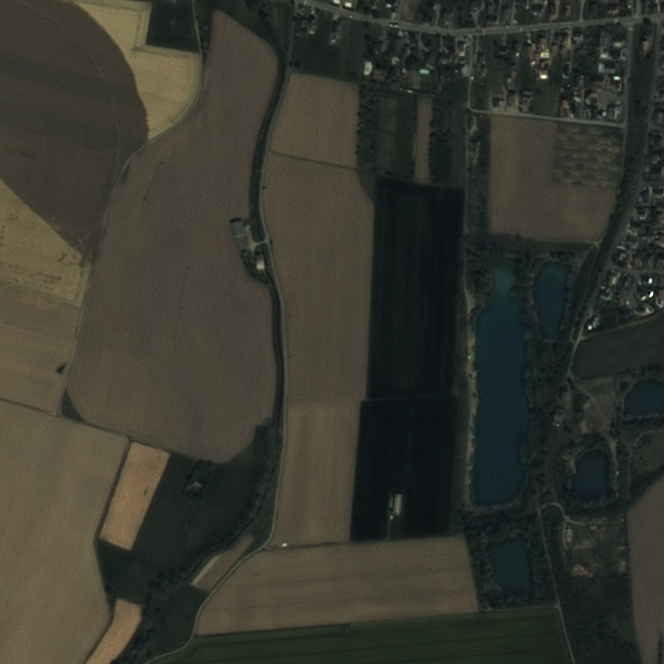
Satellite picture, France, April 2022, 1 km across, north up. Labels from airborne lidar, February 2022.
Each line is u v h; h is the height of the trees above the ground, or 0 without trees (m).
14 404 0
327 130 0
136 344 0
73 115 0
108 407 0
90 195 0
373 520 0
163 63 0
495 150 0
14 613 0
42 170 0
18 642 0
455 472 0
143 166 0
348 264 0
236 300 0
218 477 0
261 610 0
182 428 0
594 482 0
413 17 0
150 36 0
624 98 0
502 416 0
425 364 0
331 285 0
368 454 0
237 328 0
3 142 0
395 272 0
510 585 0
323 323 0
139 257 0
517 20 0
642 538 0
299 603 0
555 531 5
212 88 0
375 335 0
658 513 0
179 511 0
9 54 0
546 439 11
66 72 0
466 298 0
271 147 0
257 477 0
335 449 0
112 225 0
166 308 0
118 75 0
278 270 0
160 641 0
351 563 0
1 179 0
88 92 0
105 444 0
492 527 8
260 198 0
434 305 0
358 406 0
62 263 0
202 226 0
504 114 0
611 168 0
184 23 0
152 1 0
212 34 0
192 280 0
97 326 0
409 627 0
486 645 0
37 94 0
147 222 0
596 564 0
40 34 0
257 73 0
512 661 0
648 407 0
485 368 0
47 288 0
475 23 9
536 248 0
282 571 0
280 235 0
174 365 0
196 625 0
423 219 0
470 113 8
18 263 0
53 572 0
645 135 0
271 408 0
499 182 0
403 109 0
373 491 0
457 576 0
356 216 0
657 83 0
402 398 0
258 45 0
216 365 0
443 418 0
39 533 0
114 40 0
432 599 0
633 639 0
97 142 0
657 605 0
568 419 0
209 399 0
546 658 0
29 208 0
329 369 0
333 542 0
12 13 0
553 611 0
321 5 0
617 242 0
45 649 0
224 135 0
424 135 0
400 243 0
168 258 0
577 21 0
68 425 0
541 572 24
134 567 0
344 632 0
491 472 0
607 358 0
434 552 0
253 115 0
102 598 0
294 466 0
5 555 0
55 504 0
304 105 0
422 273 0
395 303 0
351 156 0
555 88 0
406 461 0
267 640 0
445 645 0
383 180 0
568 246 0
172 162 0
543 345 0
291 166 0
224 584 0
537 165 0
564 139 0
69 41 0
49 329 0
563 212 0
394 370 0
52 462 0
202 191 0
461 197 0
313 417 0
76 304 0
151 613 17
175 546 0
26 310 0
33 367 0
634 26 0
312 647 0
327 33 0
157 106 0
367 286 0
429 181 0
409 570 0
